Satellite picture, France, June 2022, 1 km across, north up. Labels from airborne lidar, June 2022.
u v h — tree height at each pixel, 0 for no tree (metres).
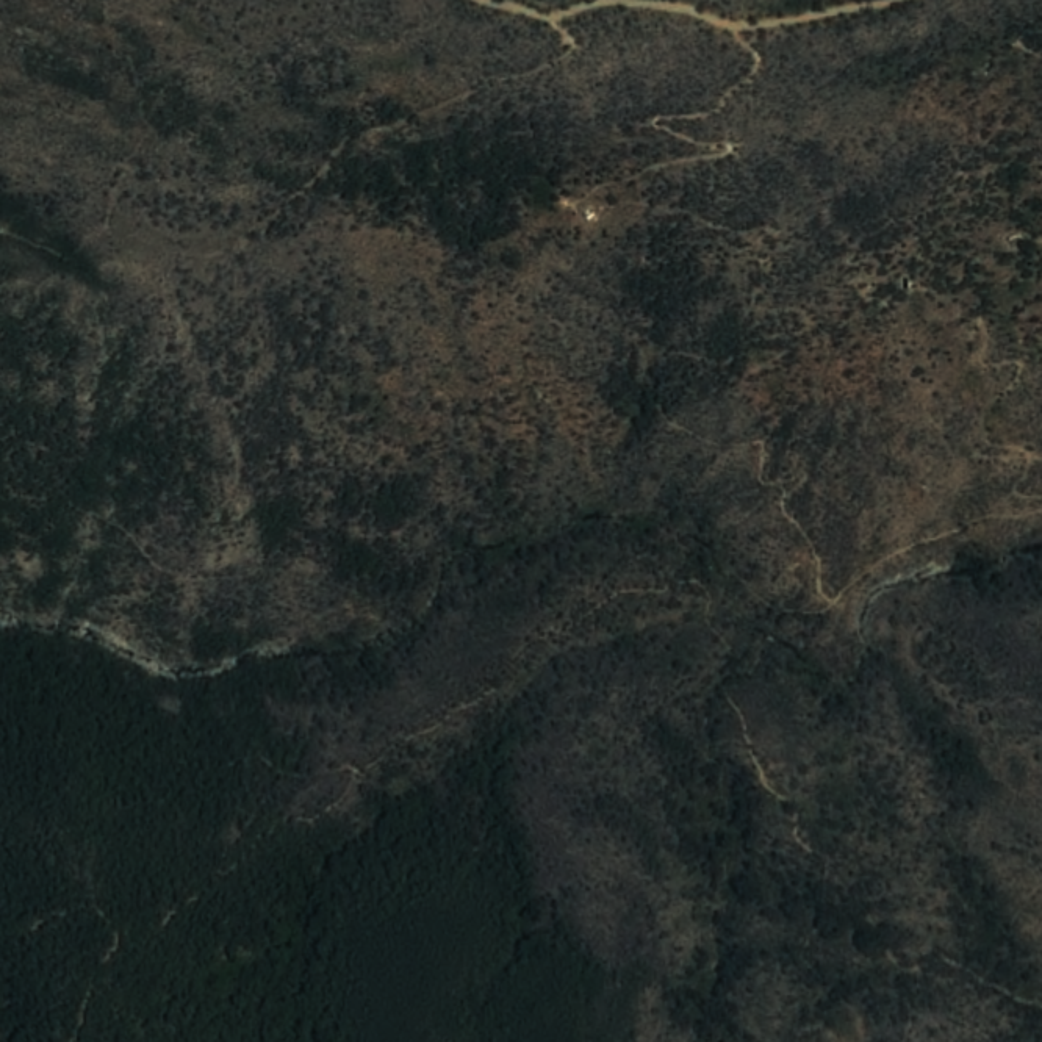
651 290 11
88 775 7
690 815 21
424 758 11
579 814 12
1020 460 0
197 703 7
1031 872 0
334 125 8
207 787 9
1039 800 0
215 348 9
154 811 10
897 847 8
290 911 8
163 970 7
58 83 0
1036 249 11
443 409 14
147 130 0
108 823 7
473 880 9
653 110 9
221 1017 17
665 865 9
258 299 10
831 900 14
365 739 10
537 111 10
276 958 15
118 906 7
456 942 6
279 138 10
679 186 8
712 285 7
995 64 11
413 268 0
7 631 8
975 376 0
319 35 6
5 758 9
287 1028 13
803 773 12
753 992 8
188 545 9
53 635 11
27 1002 9
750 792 11
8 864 9
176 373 8
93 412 13
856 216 12
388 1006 6
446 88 0
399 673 10
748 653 12
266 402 15
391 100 9
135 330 7
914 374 7
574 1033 8
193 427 8
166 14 0
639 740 9
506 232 13
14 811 7
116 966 9
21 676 13
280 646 0
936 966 11
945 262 10
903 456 0
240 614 10
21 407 14
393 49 0
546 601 11
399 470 11
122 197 8
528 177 16
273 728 9
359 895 13
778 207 10
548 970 6
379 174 12
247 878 8
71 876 7
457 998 6
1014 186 13
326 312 12
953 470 0
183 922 11
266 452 13
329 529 11
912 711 11
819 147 10
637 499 10
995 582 12
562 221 0
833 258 9
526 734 13
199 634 7
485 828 9
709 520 8
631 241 9
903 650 0
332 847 6
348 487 14
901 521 0
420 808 13
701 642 0
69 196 9
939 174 8
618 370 14
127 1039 15
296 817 8
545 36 7
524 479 12
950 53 10
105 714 16
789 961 9
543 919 15
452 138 10
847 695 14
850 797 0
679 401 10
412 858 14
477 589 13
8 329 9
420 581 12
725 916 20
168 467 6
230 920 6
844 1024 0
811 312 10
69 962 8
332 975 9
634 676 7
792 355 13
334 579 9
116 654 8
